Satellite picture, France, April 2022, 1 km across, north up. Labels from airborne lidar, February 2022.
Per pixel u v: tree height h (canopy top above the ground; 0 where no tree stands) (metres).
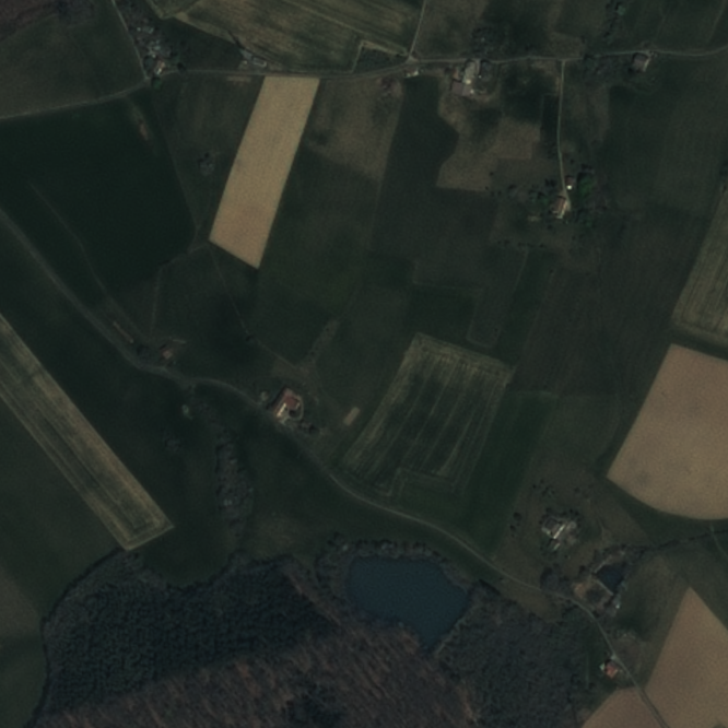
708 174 0
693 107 0
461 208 0
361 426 0
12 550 0
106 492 0
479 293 0
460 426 0
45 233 0
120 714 31
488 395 0
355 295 0
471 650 20
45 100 0
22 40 0
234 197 0
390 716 29
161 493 0
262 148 0
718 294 0
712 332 0
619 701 0
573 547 0
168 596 25
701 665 0
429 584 0
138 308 0
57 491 0
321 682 25
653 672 0
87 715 30
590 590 0
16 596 0
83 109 0
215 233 0
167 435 9
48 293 0
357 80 0
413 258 0
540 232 0
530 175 0
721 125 0
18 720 0
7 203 0
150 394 0
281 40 0
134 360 0
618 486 0
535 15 0
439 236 0
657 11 0
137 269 0
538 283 0
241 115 0
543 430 0
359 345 0
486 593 22
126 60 0
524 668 19
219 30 0
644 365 0
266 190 0
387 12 0
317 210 0
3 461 0
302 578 30
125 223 0
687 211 0
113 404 0
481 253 0
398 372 0
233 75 0
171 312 0
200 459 0
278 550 0
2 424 0
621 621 0
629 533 0
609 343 0
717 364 0
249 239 0
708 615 0
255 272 0
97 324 0
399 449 0
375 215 0
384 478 0
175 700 30
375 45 0
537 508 0
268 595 19
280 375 0
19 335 0
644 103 0
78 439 0
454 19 0
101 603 18
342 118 0
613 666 0
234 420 0
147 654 21
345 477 0
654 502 0
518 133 0
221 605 24
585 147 0
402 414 0
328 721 20
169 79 0
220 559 0
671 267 0
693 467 0
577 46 0
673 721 0
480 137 0
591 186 11
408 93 0
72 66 0
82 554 0
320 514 0
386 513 0
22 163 0
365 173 0
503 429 0
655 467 0
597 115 0
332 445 0
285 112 0
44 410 0
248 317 0
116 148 0
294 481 0
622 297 0
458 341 0
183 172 0
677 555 0
